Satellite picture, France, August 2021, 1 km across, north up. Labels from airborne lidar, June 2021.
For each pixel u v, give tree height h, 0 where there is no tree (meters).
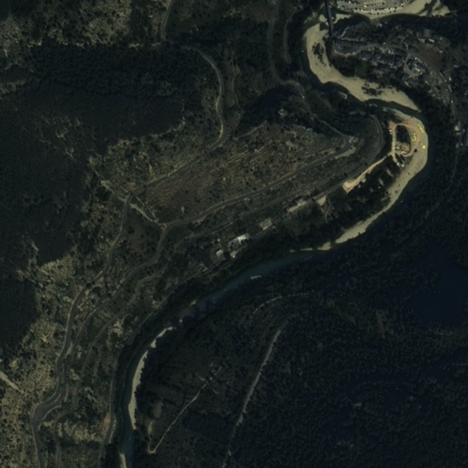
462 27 6
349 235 0
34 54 12
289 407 10
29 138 15
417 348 21
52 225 20
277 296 6
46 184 19
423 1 0
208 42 6
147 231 7
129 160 6
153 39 10
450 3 22
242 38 10
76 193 17
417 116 0
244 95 8
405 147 0
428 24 13
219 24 8
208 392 6
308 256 0
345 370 17
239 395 7
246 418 14
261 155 0
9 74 20
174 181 0
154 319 11
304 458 14
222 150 6
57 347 7
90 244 9
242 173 0
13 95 17
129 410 0
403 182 0
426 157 0
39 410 0
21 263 16
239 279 0
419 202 11
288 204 9
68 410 11
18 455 0
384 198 0
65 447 8
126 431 0
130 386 0
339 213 0
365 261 6
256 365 7
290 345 6
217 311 12
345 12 0
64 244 14
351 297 7
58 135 10
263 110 8
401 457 28
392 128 0
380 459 27
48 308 10
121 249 7
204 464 7
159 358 16
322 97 9
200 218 0
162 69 8
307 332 7
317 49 0
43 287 8
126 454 0
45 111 18
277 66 13
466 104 8
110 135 17
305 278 7
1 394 12
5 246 20
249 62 15
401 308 7
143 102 16
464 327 13
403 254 6
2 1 8
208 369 0
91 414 9
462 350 12
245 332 15
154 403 16
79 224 18
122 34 8
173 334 16
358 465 23
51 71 15
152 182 0
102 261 7
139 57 16
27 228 17
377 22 0
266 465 13
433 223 12
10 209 25
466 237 14
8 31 0
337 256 19
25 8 12
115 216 9
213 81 11
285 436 12
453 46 6
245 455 12
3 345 13
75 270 8
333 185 7
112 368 6
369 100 0
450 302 9
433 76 0
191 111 12
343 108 18
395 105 0
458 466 22
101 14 8
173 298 16
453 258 11
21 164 19
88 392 9
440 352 15
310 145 0
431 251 7
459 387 22
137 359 0
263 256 15
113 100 25
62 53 11
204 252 16
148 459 12
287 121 14
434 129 23
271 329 6
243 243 13
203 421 11
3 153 22
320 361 6
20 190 23
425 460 22
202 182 0
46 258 18
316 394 9
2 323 23
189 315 0
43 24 13
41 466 0
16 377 8
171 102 14
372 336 7
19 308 25
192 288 17
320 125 12
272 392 8
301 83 9
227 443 15
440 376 15
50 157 13
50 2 10
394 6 0
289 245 14
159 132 19
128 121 19
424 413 14
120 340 7
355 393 21
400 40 7
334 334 9
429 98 9
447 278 7
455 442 23
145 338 16
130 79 20
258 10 0
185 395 7
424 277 11
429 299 13
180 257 8
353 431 9
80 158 15
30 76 17
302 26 33
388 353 20
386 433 26
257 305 11
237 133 10
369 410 10
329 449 15
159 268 10
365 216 12
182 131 7
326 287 8
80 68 7
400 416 20
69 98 25
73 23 17
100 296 17
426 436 21
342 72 12
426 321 6
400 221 17
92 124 20
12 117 18
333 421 20
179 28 6
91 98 24
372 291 10
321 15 0
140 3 6
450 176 12
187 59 13
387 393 31
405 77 0
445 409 7
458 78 6
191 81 18
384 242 7
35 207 22
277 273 9
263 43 6
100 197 7
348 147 0
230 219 0
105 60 14
